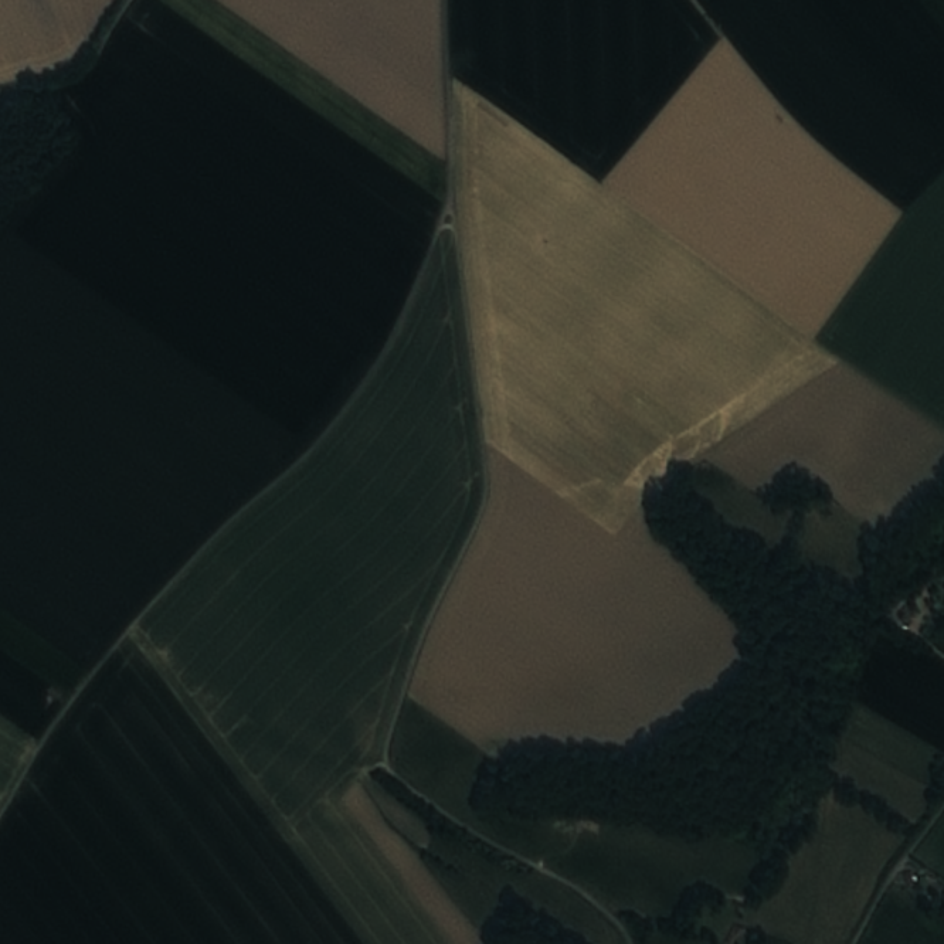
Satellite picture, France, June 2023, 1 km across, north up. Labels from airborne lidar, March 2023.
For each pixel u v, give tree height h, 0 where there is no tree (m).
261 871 0
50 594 0
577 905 0
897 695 0
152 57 0
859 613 24
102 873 0
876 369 0
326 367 0
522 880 0
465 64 0
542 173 0
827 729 34
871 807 15
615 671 0
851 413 0
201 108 0
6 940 0
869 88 0
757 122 0
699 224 0
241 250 0
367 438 0
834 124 0
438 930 0
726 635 0
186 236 0
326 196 0
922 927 0
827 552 0
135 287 0
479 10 0
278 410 0
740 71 0
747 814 27
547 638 0
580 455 0
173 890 0
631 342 0
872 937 0
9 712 0
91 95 0
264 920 0
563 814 19
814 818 22
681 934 19
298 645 0
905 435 0
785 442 0
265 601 0
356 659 0
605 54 0
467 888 0
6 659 0
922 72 0
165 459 0
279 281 0
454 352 0
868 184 0
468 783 0
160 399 0
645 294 0
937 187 0
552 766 28
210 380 0
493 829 0
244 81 0
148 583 0
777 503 23
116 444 0
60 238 0
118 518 0
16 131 21
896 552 29
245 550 0
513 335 0
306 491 0
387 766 0
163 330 0
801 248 0
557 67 0
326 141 0
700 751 26
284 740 0
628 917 8
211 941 0
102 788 0
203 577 0
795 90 0
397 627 0
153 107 0
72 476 0
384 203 0
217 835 0
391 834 0
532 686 0
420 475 0
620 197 0
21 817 0
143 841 0
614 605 0
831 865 0
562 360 0
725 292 0
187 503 0
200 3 0
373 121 0
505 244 0
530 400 0
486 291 0
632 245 0
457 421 0
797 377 0
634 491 0
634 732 0
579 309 0
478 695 0
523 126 0
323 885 0
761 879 25
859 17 0
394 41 0
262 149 0
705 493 0
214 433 0
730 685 26
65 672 0
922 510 26
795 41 0
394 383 0
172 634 0
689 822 24
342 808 0
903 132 0
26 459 0
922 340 0
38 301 0
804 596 33
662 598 0
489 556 0
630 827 0
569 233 0
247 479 0
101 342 0
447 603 0
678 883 0
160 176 0
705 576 27
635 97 0
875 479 0
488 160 0
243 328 0
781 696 27
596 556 0
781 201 0
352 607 0
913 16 0
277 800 0
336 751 0
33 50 0
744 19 0
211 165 0
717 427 0
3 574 0
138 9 0
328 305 0
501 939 23
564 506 0
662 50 0
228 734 0
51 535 0
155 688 0
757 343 0
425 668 0
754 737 28
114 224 0
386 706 0
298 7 0
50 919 0
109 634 0
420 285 0
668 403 0
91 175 0
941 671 0
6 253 0
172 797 0
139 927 0
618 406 0
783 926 0
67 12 0
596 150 0
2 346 0
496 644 0
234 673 0
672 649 0
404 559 0
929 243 0
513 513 0
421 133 0
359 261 0
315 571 0
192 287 0
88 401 0
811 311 0
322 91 0
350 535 0
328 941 0
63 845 0
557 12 0
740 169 0
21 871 0
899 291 0
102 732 0
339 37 0
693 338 0
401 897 0
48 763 0
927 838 0
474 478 0
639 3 0
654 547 0
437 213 0
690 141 0
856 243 0
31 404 0
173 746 0
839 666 26
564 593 0
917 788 0
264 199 0
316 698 0
